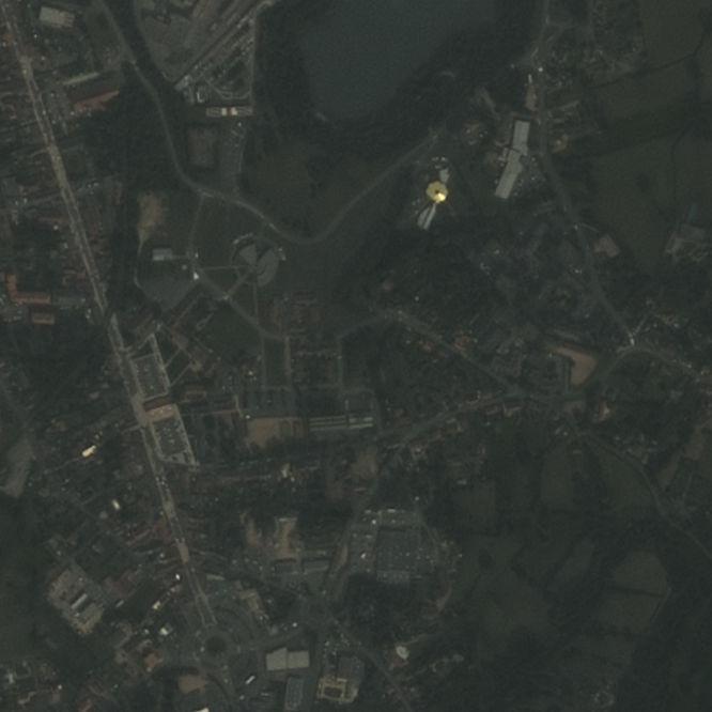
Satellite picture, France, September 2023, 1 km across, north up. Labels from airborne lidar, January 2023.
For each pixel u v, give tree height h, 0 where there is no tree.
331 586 0
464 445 0
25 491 0
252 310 0
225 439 12
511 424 0
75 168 0
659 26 0
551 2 0
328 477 0
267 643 0
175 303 0
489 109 18
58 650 0
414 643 0
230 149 0
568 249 0
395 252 17
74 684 0
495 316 0
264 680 0
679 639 8
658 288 0
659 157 0
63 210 0
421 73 9
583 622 12
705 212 0
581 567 0
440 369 0
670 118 0
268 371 0
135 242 8
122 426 0
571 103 0
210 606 0
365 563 0
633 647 0
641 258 0
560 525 0
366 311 0
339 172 0
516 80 17
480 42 24
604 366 0
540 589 11
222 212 0
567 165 9
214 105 0
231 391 0
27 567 0
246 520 0
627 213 0
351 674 0
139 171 7
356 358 0
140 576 0
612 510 11
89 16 0
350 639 0
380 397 13
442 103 19
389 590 9
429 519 16
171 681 15
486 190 0
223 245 0
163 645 0
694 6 0
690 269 0
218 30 0
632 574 0
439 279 9
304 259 0
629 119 0
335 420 0
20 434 0
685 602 19
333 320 0
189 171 12
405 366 0
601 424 12
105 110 12
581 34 0
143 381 0
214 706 0
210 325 0
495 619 0
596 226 0
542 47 0
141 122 19
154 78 10
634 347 0
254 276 0
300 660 0
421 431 0
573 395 0
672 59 0
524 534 0
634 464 0
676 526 0
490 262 0
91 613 0
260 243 0
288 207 0
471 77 16
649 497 0
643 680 17
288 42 17
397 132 13
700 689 0
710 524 0
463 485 8
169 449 0
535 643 14
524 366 7
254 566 0
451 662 0
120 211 10
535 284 19
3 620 0
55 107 0
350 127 16
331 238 0
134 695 18
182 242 0
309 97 6
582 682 0
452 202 0
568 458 0
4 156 7
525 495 0
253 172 0
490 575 0
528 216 0
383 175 0
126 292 16
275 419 0
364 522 0
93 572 0
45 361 12
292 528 0
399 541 0
